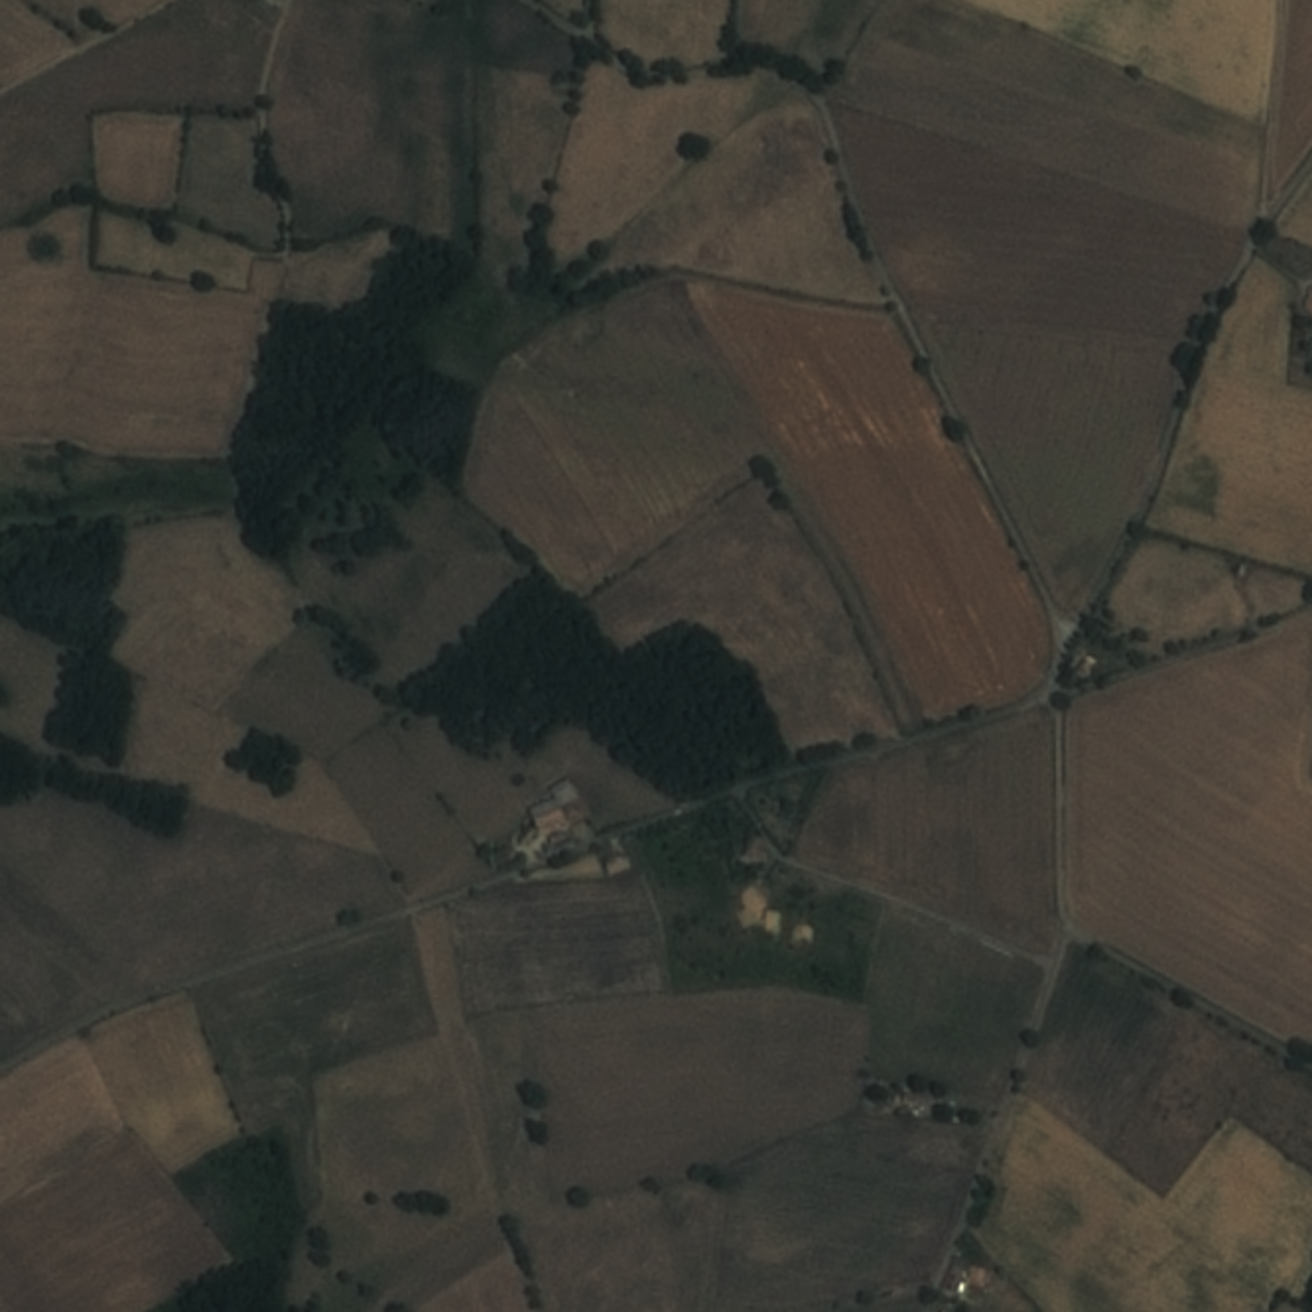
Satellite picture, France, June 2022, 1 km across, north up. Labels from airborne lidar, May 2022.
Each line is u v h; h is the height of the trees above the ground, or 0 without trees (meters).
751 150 0
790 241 0
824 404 0
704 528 0
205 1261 0
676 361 0
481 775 0
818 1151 0
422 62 0
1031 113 0
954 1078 0
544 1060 0
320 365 17
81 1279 0
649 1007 0
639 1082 0
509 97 0
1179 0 0
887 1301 0
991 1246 0
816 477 0
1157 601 0
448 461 8
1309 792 0
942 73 0
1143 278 0
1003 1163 0
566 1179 0
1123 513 0
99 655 10
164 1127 0
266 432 18
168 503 0
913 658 0
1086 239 0
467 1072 0
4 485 0
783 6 0
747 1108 0
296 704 0
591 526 0
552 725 15
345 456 18
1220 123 0
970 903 0
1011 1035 0
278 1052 0
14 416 0
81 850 0
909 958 0
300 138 0
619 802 0
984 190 0
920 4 0
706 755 18
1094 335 0
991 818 0
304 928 0
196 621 0
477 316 0
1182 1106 0
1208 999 0
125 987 0
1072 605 0
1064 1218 0
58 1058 0
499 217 0
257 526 22
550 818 0
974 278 0
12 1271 0
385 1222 0
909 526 0
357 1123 0
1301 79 0
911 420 0
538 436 0
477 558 0
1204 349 9
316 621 21
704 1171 10
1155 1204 0
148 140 0
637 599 0
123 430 0
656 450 0
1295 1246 0
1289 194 0
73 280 0
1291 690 0
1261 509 0
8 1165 0
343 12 0
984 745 0
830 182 0
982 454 0
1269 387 0
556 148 0
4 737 18
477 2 0
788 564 0
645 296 0
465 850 0
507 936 0
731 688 17
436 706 20
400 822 0
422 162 0
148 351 0
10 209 0
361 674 16
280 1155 11
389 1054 0
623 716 17
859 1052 0
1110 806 0
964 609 0
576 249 0
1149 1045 0
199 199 0
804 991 0
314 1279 0
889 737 0
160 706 0
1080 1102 0
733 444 0
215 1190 0
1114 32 0
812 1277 0
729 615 0
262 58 0
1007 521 0
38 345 0
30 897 0
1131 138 0
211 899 0
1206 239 0
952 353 0
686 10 0
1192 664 0
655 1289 0
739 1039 0
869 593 0
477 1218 0
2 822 0
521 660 17
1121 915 0
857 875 0
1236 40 0
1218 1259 0
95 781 13
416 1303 0
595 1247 0
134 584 0
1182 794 0
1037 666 0
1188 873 0
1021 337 0
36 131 0
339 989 0
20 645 0
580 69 14
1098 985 0
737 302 0
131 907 0
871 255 11
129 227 0
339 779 0
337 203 0
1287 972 0
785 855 6
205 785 0
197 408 0
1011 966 0
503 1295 0
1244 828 0
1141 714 0
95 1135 0
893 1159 0
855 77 0
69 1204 0
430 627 0
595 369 0
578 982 0
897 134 0
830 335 0
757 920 0
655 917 0
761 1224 0
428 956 0
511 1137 0
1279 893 0
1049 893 0
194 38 0
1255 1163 0
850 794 0
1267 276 0
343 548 17
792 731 0
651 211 0
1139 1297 0
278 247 7
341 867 0
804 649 0
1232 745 0
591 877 0
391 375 24
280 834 0
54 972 0
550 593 15
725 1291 0
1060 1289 0
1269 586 0
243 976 0
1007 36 0
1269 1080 0
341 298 0
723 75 13
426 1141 0
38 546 16
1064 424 0
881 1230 0
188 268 0
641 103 0
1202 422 0
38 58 0
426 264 16
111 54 0
